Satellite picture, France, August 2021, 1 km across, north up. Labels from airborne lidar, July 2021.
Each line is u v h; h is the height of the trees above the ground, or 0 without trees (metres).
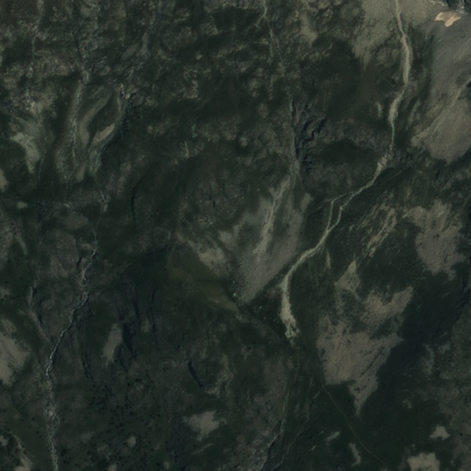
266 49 0
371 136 0
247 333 0
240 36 0
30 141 0
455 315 0
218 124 0
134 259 0
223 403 0
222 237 0
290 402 0
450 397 0
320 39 0
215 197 0
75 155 0
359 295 0
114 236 0
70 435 0
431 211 0
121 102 0
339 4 0
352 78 0
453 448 0
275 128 0
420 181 0
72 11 0
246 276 0
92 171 0
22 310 0
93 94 0
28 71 0
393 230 0
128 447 6
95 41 0
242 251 0
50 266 0
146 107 0
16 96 0
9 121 0
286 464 0
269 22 0
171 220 0
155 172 0
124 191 0
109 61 0
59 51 0
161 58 0
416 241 0
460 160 0
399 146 0
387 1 0
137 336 0
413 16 0
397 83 0
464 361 0
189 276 0
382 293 0
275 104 0
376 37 0
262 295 0
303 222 0
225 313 0
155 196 0
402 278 0
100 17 0
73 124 0
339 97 0
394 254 0
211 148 0
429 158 0
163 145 0
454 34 0
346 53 0
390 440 0
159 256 0
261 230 0
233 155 0
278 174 0
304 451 0
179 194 0
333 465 0
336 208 0
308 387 0
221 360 0
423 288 0
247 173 0
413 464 0
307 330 0
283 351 0
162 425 0
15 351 0
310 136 0
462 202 0
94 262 0
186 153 0
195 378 0
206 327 0
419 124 0
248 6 0
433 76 0
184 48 0
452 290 0
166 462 0
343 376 0
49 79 0
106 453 0
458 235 0
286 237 0
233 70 0
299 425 0
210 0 0
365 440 0
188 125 0
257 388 0
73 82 0
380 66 0
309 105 0
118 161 0
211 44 0
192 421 0
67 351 0
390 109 0
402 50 0
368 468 0
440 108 0
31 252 0
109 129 0
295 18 0
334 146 0
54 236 0
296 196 0
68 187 0
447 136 0
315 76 0
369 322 0
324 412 0
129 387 10
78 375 0
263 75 0
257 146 0
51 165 0
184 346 0
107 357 0
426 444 0
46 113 0
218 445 0
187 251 0
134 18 0
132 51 0
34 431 0
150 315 0
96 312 0
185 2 0
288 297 0
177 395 0
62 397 0
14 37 0
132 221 0
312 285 0
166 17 0
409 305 0
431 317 0
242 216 0
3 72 0
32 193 0
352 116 0
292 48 0
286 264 0
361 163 0
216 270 0
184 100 0
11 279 0
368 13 0
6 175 0
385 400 0
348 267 0
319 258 0
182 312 0
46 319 0
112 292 0
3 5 0
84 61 0
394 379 0
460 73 0
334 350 0
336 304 0
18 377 0
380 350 0
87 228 0
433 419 0
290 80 0
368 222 0
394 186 0
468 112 0
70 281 0
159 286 0
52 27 0
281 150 0
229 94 0
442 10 0
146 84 0
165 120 0
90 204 0
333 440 0
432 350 0
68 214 0
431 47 0
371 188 0
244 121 0
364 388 0
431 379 0
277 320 0
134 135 0
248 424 0
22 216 0
